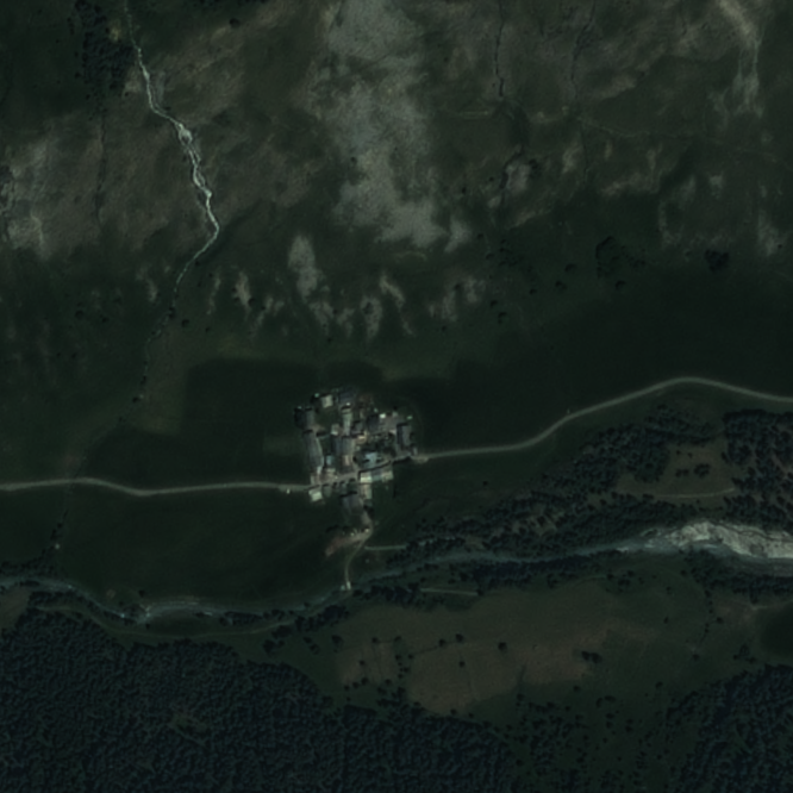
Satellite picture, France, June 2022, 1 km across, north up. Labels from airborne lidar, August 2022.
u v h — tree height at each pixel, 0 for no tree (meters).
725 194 0
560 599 0
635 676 0
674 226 0
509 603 0
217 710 15
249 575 0
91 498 0
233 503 0
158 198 0
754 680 12
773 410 0
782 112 0
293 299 0
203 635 0
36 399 0
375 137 0
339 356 0
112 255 0
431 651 0
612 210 0
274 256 0
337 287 0
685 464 0
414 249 0
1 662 24
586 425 0
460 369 0
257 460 0
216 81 0
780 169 0
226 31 0
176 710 20
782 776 24
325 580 0
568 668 0
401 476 0
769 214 0
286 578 0
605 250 17
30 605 6
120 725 22
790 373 0
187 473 0
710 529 0
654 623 0
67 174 0
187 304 0
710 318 0
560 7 0
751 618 0
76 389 0
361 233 0
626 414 0
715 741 12
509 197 0
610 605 0
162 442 0
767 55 0
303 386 0
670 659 0
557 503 20
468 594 0
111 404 0
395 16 0
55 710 21
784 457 24
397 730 17
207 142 0
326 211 0
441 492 0
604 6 0
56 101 0
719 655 0
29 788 25
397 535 0
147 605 0
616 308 0
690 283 0
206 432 0
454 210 0
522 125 0
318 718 29
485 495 0
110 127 0
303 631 16
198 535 0
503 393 0
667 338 0
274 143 0
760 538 0
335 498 0
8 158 10
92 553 0
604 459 8
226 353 0
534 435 0
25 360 0
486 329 0
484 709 0
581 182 0
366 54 0
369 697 0
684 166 0
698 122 0
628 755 0
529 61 0
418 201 0
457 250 0
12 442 0
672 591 8
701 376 0
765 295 0
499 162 0
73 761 11
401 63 0
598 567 9
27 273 0
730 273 0
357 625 0
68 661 15
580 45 0
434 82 0
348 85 0
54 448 0
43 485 0
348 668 0
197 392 0
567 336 0
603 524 17
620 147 0
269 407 0
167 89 7
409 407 0
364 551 0
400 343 0
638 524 12
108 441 0
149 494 0
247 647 0
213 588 0
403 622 0
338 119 0
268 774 14
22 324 0
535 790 8
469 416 0
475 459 0
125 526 0
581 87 0
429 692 0
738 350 0
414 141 0
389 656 0
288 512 0
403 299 0
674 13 0
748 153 0
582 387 0
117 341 0
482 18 0
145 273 0
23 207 0
